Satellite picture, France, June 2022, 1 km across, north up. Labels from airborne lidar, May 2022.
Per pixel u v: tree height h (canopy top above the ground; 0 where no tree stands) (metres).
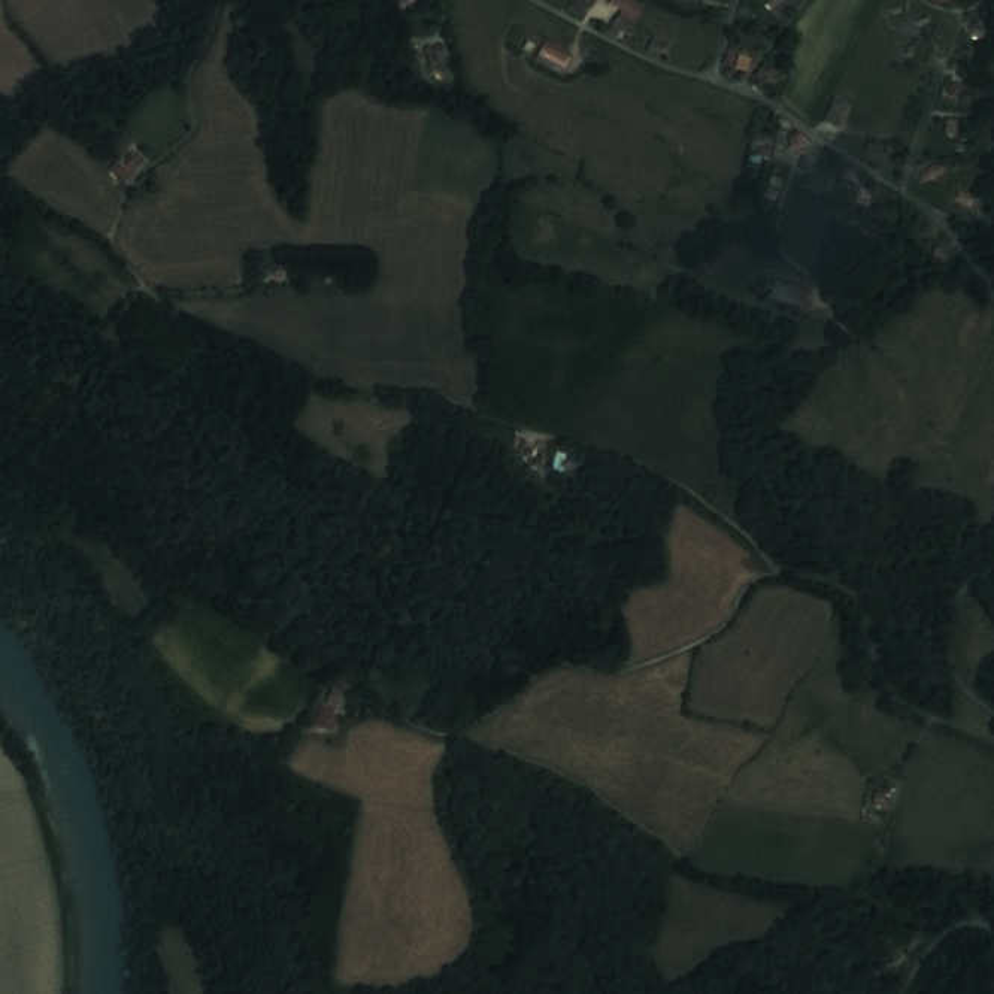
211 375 24
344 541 19
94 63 18
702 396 0
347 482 27
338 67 29
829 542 17
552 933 22
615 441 0
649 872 25
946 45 0
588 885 28
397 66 23
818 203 0
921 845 0
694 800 0
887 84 0
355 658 20
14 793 0
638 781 0
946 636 21
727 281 0
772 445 26
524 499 22
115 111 17
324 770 0
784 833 0
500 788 32
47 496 21
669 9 13
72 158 0
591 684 0
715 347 0
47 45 0
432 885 0
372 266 20
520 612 26
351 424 0
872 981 23
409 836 0
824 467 24
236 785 18
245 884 28
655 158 0
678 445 0
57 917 0
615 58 0
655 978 17
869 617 18
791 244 0
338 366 0
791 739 0
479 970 16
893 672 26
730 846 0
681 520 0
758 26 11
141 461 22
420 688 0
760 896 14
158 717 9
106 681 7
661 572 26
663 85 0
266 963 22
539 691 0
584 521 12
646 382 0
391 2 11
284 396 20
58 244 0
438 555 20
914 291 20
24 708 0
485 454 19
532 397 0
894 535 11
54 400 21
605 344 0
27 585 14
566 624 26
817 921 20
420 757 0
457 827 19
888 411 0
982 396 0
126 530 19
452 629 26
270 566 34
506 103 0
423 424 18
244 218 0
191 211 0
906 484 23
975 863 0
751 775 0
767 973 22
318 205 0
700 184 0
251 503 29
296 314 0
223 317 0
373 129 0
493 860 30
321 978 7
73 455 26
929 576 13
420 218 0
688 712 9
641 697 0
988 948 26
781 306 7
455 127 0
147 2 0
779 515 17
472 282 8
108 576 0
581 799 15
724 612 0
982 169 12
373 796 0
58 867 0
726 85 0
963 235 19
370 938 0
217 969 20
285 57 16
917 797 0
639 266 0
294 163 20
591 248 0
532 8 0
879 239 8
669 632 0
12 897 0
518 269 23
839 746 0
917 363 0
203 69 0
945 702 22
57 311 24
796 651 0
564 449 12
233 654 0
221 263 0
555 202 0
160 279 0
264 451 32
